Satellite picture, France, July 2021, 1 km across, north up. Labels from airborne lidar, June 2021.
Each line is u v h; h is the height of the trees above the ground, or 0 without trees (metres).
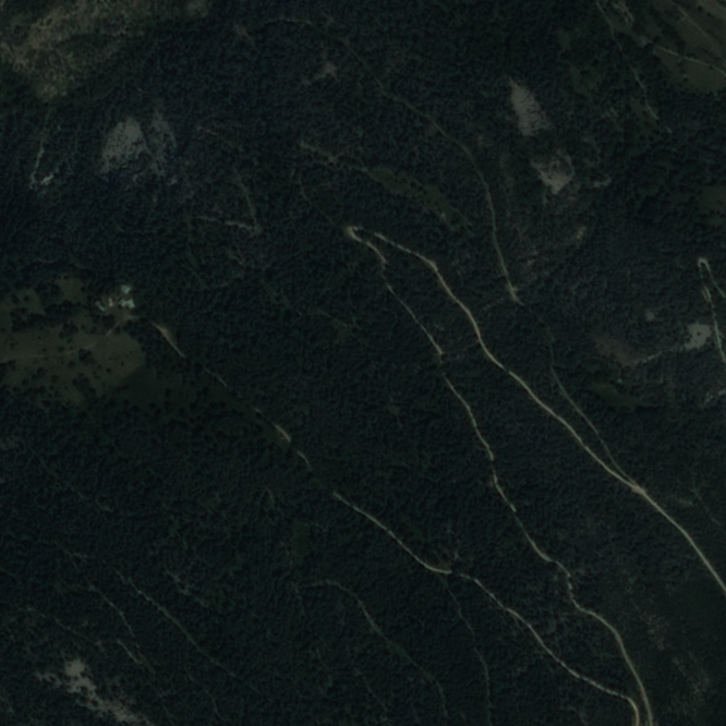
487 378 8
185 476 23
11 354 0
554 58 16
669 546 10
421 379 14
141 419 8
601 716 7
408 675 23
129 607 18
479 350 17
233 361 19
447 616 18
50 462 26
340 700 17
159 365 16
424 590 27
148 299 14
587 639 18
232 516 21
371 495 30
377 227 17
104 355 0
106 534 19
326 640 20
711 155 17
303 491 21
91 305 7
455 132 13
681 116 18
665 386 6
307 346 22
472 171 7
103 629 15
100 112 13
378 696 15
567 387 14
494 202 10
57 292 14
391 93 12
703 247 14
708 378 10
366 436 14
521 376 12
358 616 12
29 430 12
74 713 22
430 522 23
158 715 17
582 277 12
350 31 19
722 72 0
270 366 17
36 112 6
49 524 12
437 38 20
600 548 15
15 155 15
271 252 15
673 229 17
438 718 22
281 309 9
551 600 19
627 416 20
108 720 12
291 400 18
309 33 13
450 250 18
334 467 9
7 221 23
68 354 0
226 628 27
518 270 9
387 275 14
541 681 11
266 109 18
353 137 8
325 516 23
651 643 10
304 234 18
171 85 20
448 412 11
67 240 13
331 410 24
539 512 17
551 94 15
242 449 11
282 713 19
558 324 10
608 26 7
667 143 12
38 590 22
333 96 13
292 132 14
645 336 10
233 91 17
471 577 19
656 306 9
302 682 20
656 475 7
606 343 0
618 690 14
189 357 9
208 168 14
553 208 8
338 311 10
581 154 15
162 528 10
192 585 22
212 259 26
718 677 6
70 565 18
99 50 7
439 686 14
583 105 8
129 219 23
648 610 6
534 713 18
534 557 12
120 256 23
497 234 10
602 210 17
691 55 6
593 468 6
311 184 12
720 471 8
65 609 18
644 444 19
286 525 15
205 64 22
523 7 11
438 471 16
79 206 22
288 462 14
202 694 23
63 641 18
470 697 21
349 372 14
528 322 19
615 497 7
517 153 20
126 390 8
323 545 21
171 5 11
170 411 11
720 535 6
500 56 12
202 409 8
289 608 23
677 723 7
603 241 13
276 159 11
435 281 10
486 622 9
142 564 20
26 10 5
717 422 13
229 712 22
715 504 7
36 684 15
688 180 13
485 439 11
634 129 8
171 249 23
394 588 22
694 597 8
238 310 25
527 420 11
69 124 7
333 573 19
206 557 23
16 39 10
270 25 11
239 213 7
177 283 26
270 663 20
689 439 16
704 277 11
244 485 22
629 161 9
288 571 25
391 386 9
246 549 22
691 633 7
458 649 20
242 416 15
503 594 19
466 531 20
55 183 14
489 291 17
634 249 12
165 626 22
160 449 20
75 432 21
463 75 13
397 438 16
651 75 10
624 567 8
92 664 23
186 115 13
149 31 17
